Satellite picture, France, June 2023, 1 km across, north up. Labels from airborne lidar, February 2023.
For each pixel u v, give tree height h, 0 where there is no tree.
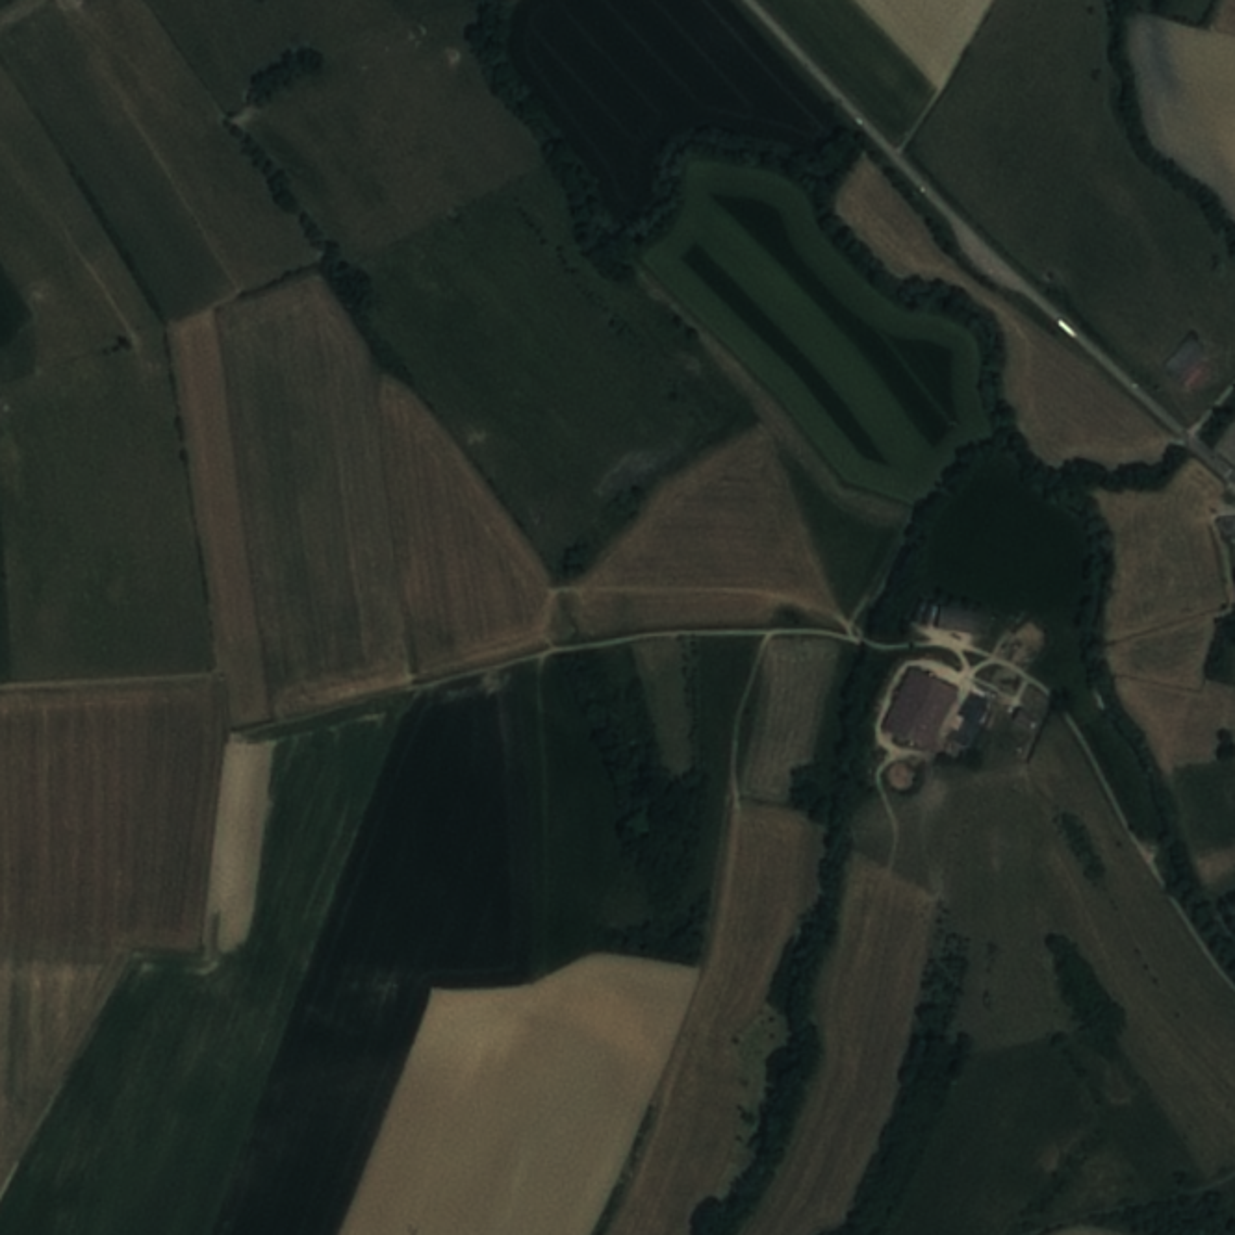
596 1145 0
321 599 0
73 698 0
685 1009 0
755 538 0
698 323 0
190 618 0
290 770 0
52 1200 0
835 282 0
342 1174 0
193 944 0
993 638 0
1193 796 0
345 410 0
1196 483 0
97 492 0
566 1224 0
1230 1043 0
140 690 0
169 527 0
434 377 0
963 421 0
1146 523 0
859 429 0
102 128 0
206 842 0
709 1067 0
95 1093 0
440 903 0
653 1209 0
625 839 16
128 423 0
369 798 0
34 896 0
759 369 0
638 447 0
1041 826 0
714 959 0
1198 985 0
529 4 0
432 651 0
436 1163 0
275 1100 0
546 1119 0
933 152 0
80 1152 0
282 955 0
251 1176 0
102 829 0
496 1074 0
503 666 0
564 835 0
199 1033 0
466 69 0
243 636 0
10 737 0
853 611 0
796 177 12
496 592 0
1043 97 0
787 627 0
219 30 0
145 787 0
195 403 0
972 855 0
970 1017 0
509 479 0
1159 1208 6
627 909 0
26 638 0
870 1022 0
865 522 0
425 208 0
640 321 0
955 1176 0
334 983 0
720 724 0
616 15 0
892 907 0
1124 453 0
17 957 0
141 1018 0
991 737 0
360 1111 0
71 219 0
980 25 0
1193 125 0
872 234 0
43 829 0
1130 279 0
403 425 0
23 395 0
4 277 0
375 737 0
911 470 0
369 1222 0
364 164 0
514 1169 0
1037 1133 0
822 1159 0
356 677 0
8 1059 0
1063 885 0
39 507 0
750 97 0
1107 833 0
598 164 0
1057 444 0
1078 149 0
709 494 0
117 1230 0
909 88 0
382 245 0
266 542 0
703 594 0
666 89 0
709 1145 0
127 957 0
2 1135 0
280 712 0
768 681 0
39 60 0
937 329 0
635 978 0
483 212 0
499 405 0
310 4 0
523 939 0
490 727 0
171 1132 0
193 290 0
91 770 0
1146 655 0
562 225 0
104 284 0
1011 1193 0
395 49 0
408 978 0
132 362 0
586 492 0
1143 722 0
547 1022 0
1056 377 0
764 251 0
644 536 0
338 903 0
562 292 0
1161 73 0
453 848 0
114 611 0
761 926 0
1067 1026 0
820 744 0
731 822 0
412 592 0
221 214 0
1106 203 0
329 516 0
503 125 0
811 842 0
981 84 0
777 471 0
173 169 0
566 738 0
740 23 0
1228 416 14
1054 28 0
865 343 0
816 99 0
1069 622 0
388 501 0
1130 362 0
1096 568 11
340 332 0
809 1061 20
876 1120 0
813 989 9
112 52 0
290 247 0
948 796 0
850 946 0
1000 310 0
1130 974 0
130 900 0
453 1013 0
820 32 0
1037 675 0
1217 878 0
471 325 0
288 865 0
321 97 0
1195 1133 0
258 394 0
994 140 0
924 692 0
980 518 0
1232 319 0
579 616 0
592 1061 0
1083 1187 0
